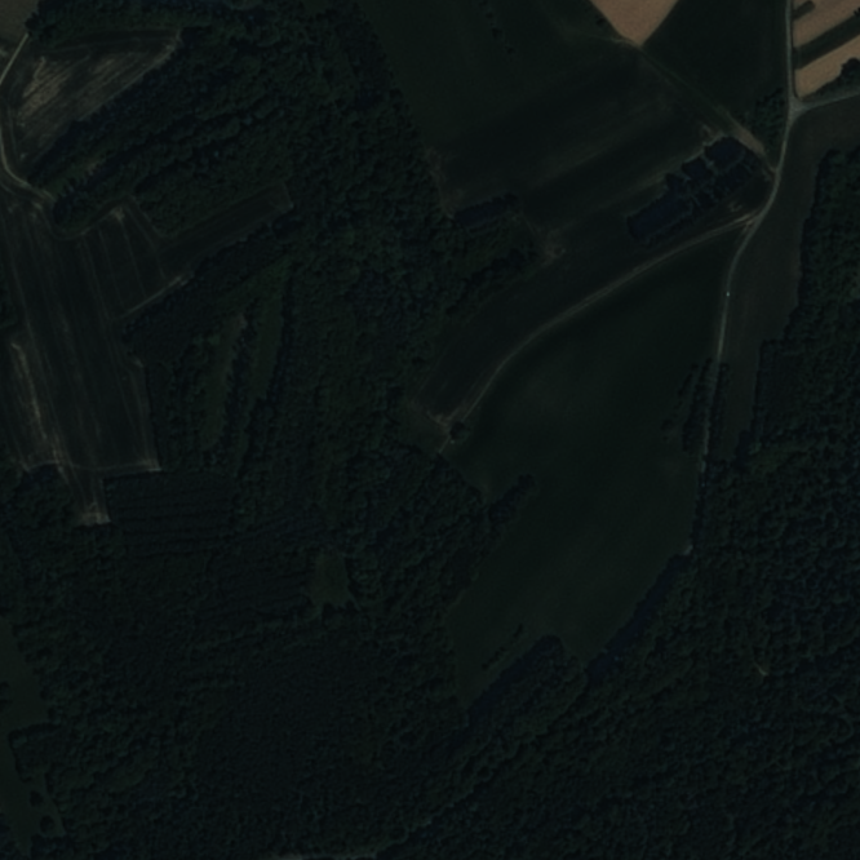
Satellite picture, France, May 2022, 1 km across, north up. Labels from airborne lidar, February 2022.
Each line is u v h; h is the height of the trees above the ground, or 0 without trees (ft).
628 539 0
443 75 0
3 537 42
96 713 84
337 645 57
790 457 78
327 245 104
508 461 0
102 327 0
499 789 57
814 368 61
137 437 0
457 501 51
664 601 95
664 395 0
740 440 0
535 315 0
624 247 0
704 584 50
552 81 0
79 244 0
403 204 106
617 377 0
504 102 0
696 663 93
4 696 25
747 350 0
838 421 84
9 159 0
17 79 0
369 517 93
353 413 62
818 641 81
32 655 54
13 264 0
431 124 0
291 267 60
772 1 0
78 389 0
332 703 52
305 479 70
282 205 0
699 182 112
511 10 0
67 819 44
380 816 56
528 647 0
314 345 94
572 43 0
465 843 70
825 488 47
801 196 0
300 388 93
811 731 77
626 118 0
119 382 0
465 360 0
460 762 73
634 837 66
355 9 37
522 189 0
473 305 60
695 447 47
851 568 45
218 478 53
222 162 116
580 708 106
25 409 0
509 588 0
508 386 0
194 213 90
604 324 0
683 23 0
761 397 43
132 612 48
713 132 0
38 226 0
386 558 84
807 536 113
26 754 58
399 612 40
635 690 108
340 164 79
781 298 0
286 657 52
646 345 0
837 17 0
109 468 0
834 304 79
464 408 0
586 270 0
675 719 50
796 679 70
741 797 45
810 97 0
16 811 0
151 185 97
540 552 0
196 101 81
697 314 0
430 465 40
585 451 0
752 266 0
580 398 0
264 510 65
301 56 102
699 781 73
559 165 0
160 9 97
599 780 52
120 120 74
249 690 53
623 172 0
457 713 52
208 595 41
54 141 0
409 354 48
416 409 0
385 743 76
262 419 50
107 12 95
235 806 46
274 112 105
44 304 0
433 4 0
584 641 0
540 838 53
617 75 0
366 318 94
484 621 0
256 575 55
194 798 58
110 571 56
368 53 62
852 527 66
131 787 81
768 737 79
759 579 70
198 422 65
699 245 0
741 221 0
